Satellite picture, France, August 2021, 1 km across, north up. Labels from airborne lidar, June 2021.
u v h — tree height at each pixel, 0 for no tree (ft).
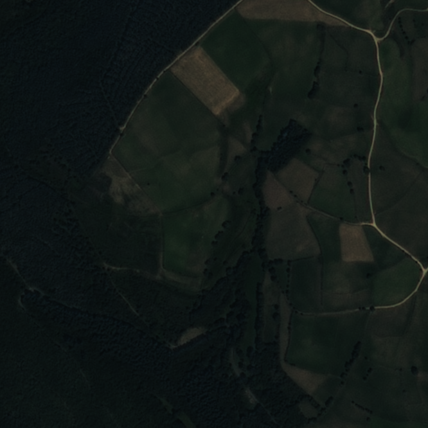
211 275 39
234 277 58
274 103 0
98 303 56
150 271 0
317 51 0
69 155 53
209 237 0
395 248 0
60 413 31
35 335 55
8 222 59
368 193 0
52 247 46
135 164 0
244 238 0
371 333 0
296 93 0
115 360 69
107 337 118
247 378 42
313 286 0
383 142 0
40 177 21
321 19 0
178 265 0
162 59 40
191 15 52
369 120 0
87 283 19
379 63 0
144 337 100
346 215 0
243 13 0
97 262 29
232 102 0
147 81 42
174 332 39
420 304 0
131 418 46
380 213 0
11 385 42
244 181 0
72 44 49
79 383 37
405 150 0
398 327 0
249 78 0
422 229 0
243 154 0
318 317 0
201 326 68
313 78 0
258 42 0
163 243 0
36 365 47
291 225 0
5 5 49
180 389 88
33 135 47
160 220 0
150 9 55
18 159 56
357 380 0
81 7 47
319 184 0
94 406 41
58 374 26
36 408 34
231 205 0
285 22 0
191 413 74
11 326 55
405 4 0
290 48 0
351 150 0
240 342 56
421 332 0
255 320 0
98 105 50
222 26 0
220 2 38
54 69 45
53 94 50
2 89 38
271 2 0
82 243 33
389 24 0
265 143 0
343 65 0
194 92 0
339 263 0
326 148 0
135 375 76
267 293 0
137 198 0
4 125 40
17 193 55
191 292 0
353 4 0
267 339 0
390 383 0
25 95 46
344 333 0
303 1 0
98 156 44
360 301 0
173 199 0
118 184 0
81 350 63
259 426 67
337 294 0
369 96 0
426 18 0
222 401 64
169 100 0
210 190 0
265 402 33
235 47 0
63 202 48
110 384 50
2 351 58
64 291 45
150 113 0
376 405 0
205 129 0
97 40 52
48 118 47
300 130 42
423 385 0
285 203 0
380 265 0
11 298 52
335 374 0
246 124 0
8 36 40
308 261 0
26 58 37
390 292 0
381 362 0
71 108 51
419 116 0
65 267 54
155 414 61
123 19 41
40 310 57
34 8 76
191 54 0
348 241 0
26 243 54
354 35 0
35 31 44
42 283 48
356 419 0
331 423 0
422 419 0
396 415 0
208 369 71
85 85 43
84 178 39
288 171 0
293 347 0
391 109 0
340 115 0
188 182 0
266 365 41
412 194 0
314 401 38
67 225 39
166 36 48
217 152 0
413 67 0
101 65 43
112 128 48
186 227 0
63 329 66
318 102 0
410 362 0
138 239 0
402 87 0
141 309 53
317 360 0
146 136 0
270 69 0
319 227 0
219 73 0
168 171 0
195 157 0
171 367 89
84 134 45
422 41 0
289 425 34
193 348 91
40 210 52
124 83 49
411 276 0
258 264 0
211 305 77
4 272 59
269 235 0
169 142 0
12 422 40
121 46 45
